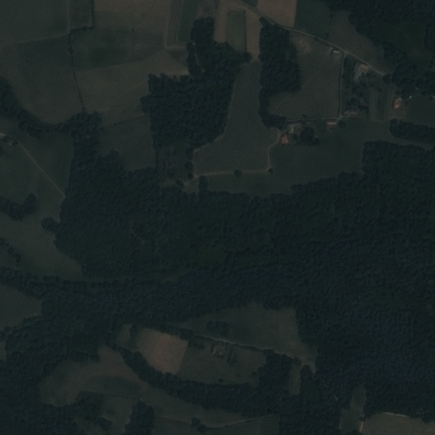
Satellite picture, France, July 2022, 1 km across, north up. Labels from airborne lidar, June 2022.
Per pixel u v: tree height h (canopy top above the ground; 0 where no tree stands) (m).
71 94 0
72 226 24
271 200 17
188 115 25
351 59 0
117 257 24
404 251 15
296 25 0
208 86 18
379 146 23
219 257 0
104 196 23
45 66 0
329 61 0
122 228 26
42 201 0
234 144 0
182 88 22
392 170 24
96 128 17
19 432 22
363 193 23
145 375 22
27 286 19
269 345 0
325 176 0
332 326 26
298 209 21
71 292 26
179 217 19
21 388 22
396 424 0
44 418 21
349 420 0
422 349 29
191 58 15
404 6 22
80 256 22
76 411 21
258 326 0
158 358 0
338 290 21
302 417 11
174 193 18
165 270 9
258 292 22
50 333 27
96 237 25
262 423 0
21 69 0
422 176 26
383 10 23
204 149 0
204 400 26
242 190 0
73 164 12
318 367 12
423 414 8
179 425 0
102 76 0
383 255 20
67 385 0
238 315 0
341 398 16
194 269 14
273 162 0
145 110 13
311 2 0
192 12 0
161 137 15
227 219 24
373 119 0
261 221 31
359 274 19
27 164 0
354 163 0
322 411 10
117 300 13
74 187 15
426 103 0
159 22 0
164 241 26
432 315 16
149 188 15
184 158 0
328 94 0
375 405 7
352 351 13
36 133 23
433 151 14
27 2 0
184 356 0
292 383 0
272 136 0
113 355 0
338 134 0
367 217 24
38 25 0
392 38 0
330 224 24
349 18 8
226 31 0
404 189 19
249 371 0
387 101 0
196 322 0
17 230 0
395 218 21
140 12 0
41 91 0
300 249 17
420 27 0
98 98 0
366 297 11
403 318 19
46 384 0
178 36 0
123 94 0
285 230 27
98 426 10
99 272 19
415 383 26
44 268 0
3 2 0
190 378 0
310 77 0
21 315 0
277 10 0
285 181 0
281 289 21
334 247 25
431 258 23
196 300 25
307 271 23
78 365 0
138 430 18
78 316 17
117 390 0
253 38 0
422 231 27
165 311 21
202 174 0
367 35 7
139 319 22
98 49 0
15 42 0
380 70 0
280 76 26
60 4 0
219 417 0
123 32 0
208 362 0
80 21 0
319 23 0
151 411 20
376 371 22
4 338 16
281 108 0
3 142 7
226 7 0
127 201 18
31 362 22
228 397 25
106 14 0
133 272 20
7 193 0
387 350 22
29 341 21
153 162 0
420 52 0
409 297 9
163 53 0
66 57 0
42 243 0
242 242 24
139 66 0
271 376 22
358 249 25
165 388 13
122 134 0
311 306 12
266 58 23
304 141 14
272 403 19
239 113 0
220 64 12
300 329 10
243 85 0
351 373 21
